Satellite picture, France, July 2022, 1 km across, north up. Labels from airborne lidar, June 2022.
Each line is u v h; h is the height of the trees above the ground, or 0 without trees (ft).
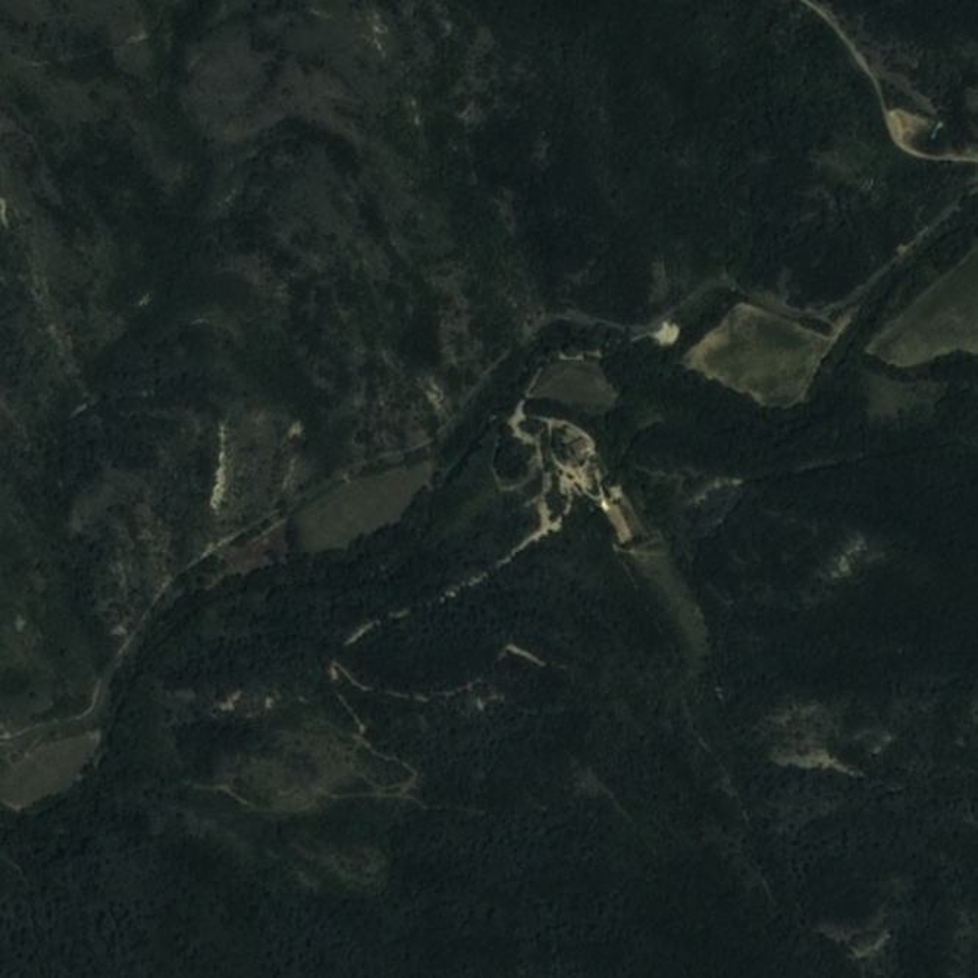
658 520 22
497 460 31
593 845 19
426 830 31
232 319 0
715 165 24
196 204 29
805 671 30
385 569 28
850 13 25
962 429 26
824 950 33
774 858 25
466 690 26
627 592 19
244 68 0
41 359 37
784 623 32
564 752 26
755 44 36
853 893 29
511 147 25
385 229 18
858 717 24
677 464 20
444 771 39
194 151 26
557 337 46
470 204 26
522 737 34
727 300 26
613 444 27
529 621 37
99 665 23
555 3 26
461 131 24
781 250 24
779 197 24
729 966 41
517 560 23
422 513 49
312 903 28
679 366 36
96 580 31
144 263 22
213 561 32
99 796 41
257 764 0
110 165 23
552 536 19
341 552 26
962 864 25
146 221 18
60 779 0
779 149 23
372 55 0
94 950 38
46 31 29
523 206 30
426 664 20
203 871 42
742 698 21
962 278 0
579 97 43
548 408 35
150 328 24
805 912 22
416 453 22
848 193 33
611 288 22
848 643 25
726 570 21
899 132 0
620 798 25
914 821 20
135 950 32
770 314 0
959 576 22
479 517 24
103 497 0
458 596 20
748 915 22
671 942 37
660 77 36
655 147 32
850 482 26
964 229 47
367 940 34
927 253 30
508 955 34
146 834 37
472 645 26
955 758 24
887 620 30
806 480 43
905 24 24
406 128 20
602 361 32
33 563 18
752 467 25
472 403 22
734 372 0
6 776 0
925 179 43
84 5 0
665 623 21
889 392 0
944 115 30
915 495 30
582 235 27
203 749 21
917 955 22
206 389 27
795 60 35
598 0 29
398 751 24
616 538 33
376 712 23
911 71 20
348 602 23
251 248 19
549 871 30
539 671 26
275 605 24
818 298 24
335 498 0
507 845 31
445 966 24
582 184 23
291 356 30
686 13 24
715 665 19
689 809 32
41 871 40
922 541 31
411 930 20
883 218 27
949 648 26
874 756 26
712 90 23
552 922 22
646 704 19
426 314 20
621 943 31
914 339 0
